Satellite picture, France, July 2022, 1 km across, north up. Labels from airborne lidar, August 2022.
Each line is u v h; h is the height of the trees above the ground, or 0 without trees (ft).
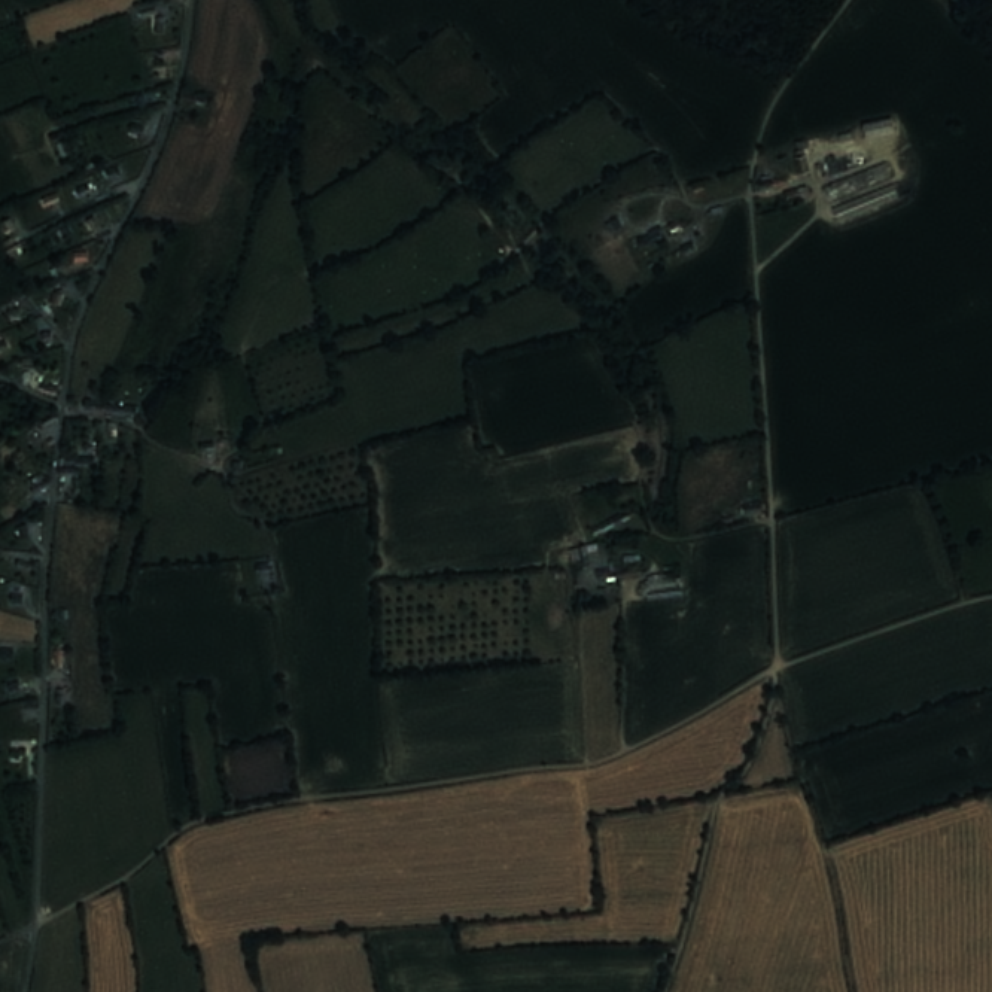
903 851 0
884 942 0
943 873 0
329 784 0
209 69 0
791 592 0
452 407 0
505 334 0
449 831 0
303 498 20
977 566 0
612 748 0
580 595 30
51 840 0
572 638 0
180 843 0
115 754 0
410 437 32
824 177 0
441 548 0
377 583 30
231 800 24
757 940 0
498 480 0
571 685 0
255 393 23
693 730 0
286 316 0
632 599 0
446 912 0
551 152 0
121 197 21
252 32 0
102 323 0
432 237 0
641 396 49
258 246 0
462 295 64
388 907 0
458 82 0
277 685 39
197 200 0
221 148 0
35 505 27
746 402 0
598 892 42
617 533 26
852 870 0
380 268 0
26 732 0
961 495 0
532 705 0
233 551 0
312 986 0
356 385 0
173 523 0
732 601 0
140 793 0
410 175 0
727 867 0
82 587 0
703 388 0
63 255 25
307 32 49
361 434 0
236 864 0
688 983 0
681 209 0
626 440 0
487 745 0
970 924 0
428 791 0
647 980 0
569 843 0
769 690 44
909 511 0
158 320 0
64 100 25
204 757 0
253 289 0
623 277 0
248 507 17
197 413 0
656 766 0
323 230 0
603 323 63
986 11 78
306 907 0
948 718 0
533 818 0
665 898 0
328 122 0
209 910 0
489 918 28
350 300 0
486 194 58
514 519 0
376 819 0
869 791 0
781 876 0
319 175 0
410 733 0
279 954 0
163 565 35
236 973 0
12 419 18
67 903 0
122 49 0
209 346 39
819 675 0
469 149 43
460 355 0
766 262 0
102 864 0
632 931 0
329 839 0
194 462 0
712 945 0
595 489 24
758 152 31
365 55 48
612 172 44
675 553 0
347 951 0
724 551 0
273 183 21
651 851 0
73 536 0
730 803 0
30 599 0
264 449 21
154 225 44
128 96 20
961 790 0
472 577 22
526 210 64
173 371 49
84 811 0
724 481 0
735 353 0
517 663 37
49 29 0
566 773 0
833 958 0
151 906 0
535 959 0
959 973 0
